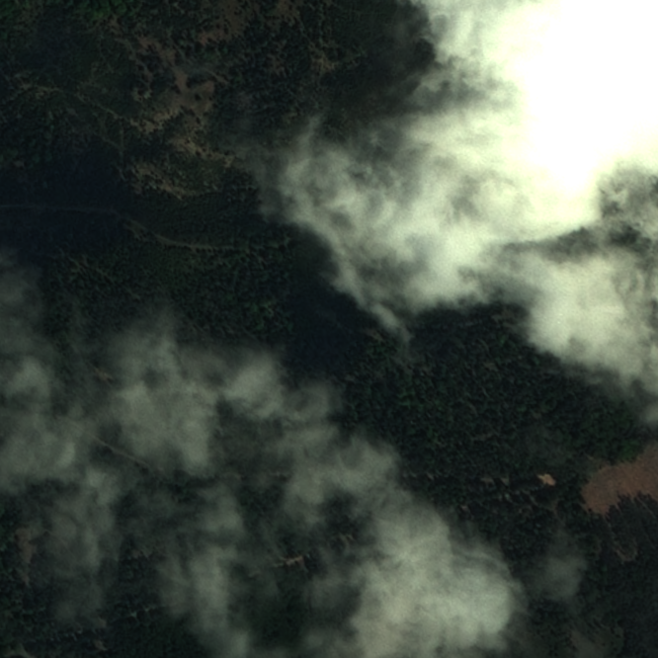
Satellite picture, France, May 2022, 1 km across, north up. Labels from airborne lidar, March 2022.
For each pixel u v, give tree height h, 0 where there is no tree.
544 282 21
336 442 24
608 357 24
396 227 14
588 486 21
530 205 15
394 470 14
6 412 10
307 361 31
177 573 18
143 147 8
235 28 0
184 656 15
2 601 20
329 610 11
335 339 14
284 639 21
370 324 18
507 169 16
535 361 16
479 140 15
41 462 26
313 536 29
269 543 15
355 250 10
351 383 10
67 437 30
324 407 24
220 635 17
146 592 15
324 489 26
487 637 11
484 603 28
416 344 29
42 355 9
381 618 11
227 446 28
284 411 27
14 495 29
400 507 27
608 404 22
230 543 21
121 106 6
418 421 29
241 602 17
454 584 33
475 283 11
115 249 9
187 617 15
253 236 14
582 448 21
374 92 0
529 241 20
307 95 9
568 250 20
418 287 16
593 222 17
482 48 6
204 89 0
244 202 7
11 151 21
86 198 15
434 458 27
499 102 16
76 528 20
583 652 0
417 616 10
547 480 0
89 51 6
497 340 8
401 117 0
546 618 28
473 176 19
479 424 26
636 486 24
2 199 10
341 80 6
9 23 6
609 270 15
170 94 0
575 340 11
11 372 13
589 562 31
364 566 28
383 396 19
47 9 6
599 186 21
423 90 0
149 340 23
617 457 23
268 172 6
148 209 15
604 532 24
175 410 23
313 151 6
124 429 28
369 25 6
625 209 19
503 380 12
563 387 23
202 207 8
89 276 13
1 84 6
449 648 16
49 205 11
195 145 0
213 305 24
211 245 9
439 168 18
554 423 17
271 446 20
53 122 7
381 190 11
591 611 25
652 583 21
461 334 26
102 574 22
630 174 21
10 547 29
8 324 24
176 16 7
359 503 31
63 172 12
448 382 29
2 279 22
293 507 23
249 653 12
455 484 22
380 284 21
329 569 28
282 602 14
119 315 30
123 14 8
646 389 24
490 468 30
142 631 17
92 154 9
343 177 14
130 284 15
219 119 10
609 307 17
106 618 14
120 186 15
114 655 21
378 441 28
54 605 27
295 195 17
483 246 14
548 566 26
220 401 29
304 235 10
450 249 13
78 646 10
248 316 27
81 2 23
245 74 15
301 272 17
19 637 14
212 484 16
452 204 17
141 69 13
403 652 11
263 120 15
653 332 13
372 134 0
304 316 19
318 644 12
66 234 20
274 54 8
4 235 12
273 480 21
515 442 29
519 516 7
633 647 21
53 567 27
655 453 0
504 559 35
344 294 14
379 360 29
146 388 25
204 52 14
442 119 10
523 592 32
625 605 22
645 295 17
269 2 18
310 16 7
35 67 6
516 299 18
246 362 27
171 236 9
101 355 27
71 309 21
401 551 28
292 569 12
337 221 12
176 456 16
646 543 24
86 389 30
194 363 30
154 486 7
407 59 0
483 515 29
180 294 7
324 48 6
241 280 21
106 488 14
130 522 15
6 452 26
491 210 19
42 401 9
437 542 34
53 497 27
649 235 16
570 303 14
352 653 14
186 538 25
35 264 19
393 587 29
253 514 16
